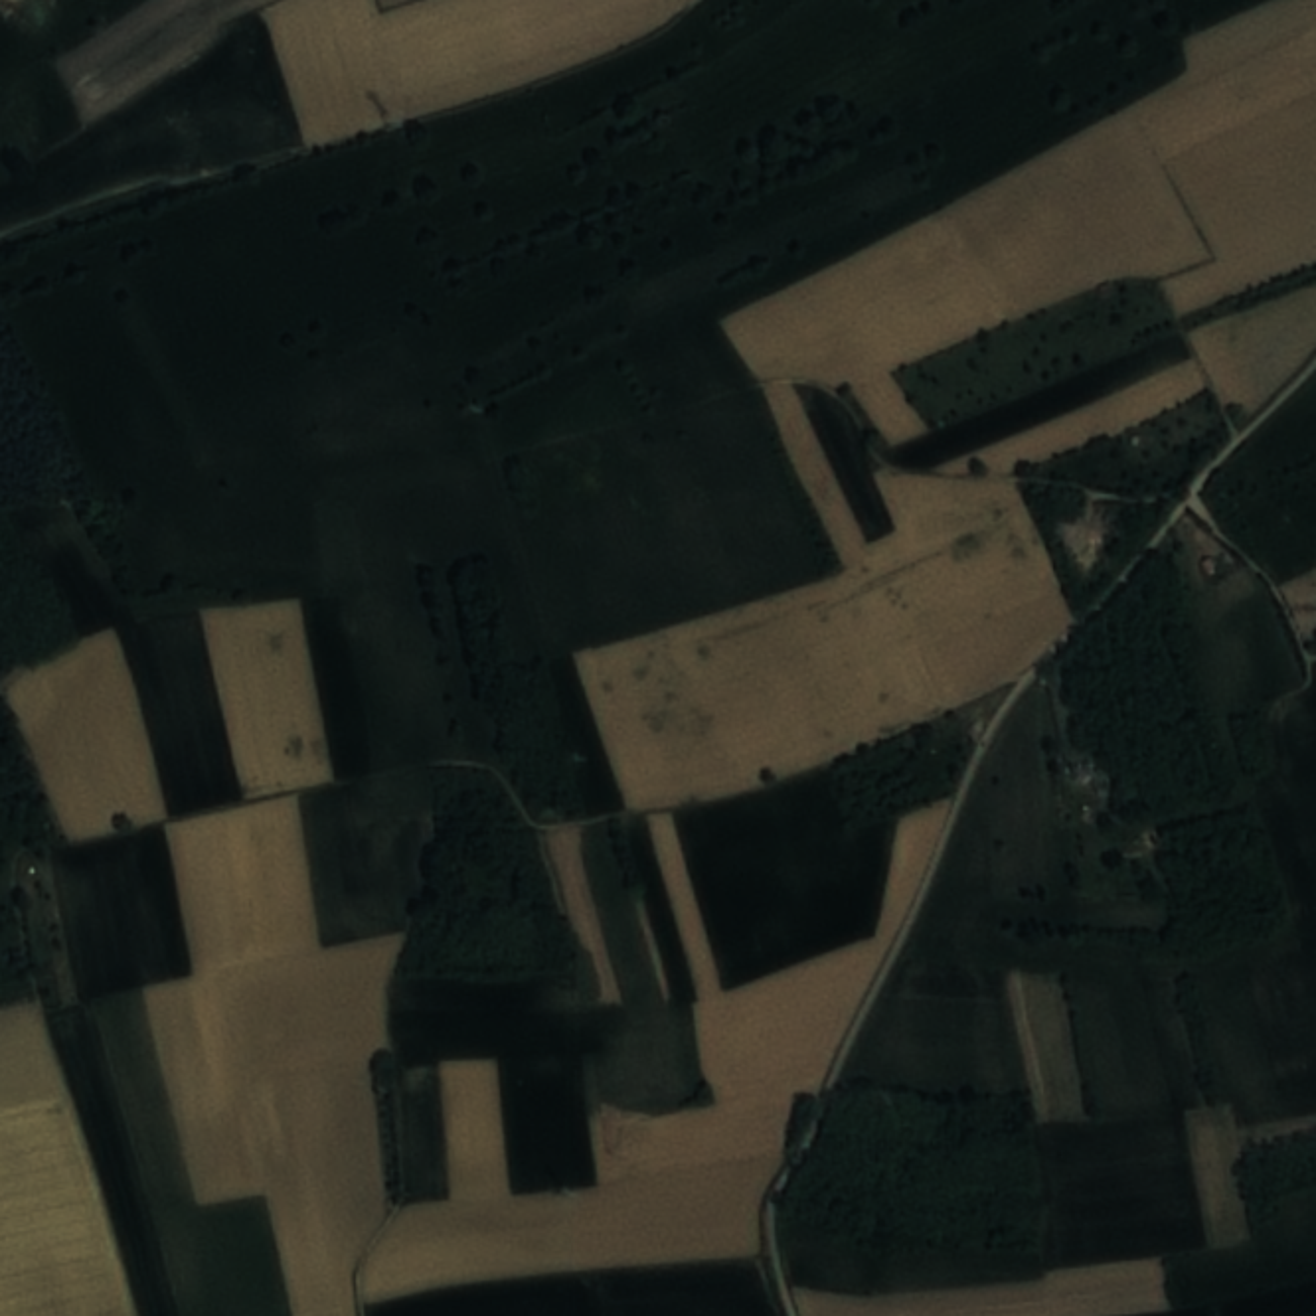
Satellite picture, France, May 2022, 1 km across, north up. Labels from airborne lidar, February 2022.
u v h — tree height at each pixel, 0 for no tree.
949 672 0
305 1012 0
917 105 0
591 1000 0
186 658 0
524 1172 0
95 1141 0
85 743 0
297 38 0
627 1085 0
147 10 0
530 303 0
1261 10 0
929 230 0
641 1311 0
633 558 0
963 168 0
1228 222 0
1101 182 0
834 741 0
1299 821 0
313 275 0
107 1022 0
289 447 0
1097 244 0
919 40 0
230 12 0
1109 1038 0
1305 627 0
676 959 0
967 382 0
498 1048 0
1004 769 0
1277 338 0
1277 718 0
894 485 0
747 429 0
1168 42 0
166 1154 0
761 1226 0
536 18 0
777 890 0
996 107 0
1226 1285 0
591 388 0
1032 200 0
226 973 0
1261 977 0
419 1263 0
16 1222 0
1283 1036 0
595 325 0
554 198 0
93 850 0
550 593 0
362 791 0
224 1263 0
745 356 0
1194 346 0
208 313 0
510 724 13
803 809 0
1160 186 0
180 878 0
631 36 0
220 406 0
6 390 21
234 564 0
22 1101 0
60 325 0
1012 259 0
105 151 0
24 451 19
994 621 0
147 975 0
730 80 0
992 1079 0
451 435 0
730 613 0
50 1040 0
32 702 0
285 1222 0
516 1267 0
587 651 0
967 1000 0
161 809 0
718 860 0
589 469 0
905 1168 19
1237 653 0
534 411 0
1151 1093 0
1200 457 13
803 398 0
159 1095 0
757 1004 0
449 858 14
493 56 0
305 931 0
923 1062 0
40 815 7
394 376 0
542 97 0
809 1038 0
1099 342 0
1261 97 0
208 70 0
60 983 0
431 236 12
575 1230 0
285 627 0
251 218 0
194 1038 0
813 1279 0
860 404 0
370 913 0
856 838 0
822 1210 14
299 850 0
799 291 0
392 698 0
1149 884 14
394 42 0
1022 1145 16
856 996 0
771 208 0
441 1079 0
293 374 0
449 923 15
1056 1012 0
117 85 0
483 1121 0
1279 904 8
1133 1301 0
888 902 0
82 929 0
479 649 15
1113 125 0
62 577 0
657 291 0
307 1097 0
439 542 0
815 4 0
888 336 0
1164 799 13
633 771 0
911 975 0
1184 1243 0
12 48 0
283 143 0
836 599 0
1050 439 0
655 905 0
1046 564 0
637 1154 0
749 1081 0
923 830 0
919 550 0
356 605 0
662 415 0
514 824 8
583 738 0
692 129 0
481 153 0
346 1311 0
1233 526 7
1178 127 0
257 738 0
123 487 0
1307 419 0
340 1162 0
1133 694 15
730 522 0
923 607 0
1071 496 8
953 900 0
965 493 0
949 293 0
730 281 6
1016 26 0
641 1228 0
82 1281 0
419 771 0
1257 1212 6
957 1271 0
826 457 0
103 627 0
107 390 0
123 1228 0
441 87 0
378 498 0
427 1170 0
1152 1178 0
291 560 0
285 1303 0
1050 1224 0
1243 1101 0
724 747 0
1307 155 0
